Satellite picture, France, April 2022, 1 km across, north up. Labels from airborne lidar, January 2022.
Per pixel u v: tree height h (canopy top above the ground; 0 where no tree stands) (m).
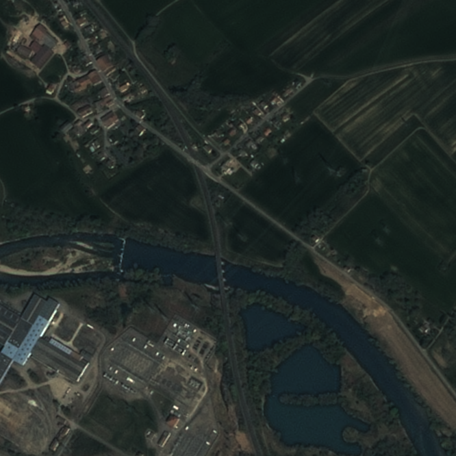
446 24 0
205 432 0
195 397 0
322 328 19
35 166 0
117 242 0
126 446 0
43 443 0
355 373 0
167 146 0
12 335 0
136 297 9
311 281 0
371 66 0
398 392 0
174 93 14
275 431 9
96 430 0
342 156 0
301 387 0
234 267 0
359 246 0
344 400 8
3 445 0
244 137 0
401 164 0
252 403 15
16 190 0
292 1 0
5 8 0
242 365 14
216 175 0
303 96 0
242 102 16
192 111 0
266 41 0
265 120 0
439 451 0
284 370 0
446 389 0
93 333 0
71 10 0
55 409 0
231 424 0
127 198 0
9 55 0
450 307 0
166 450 0
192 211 0
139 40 13
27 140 0
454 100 0
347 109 0
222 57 0
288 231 0
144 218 0
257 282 0
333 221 21
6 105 0
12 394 0
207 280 0
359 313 23
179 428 0
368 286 14
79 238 0
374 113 0
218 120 0
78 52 8
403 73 0
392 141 0
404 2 0
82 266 0
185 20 0
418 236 0
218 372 0
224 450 0
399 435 0
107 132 0
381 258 0
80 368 0
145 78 0
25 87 0
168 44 0
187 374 0
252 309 0
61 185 0
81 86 0
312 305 0
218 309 18
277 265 0
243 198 0
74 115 0
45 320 0
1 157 0
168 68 0
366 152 0
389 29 0
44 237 0
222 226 0
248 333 0
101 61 0
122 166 10
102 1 0
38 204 0
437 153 0
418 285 0
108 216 0
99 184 0
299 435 0
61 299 0
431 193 0
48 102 0
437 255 0
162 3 0
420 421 0
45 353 0
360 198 0
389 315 22
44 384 0
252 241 0
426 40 0
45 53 0
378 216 0
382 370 0
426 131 0
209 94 16
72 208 0
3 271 0
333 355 14
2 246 0
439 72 0
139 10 0
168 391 0
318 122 0
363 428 0
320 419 0
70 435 0
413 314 21
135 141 20
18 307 0
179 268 0
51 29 0
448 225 0
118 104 0
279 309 7
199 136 0
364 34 0
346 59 0
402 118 0
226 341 10
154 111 0
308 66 0
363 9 0
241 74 0
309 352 0
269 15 0
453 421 0
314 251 0
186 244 20
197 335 0
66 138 0
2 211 0
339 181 0
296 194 0
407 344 0
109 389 0
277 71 0
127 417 0
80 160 0
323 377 0
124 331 0
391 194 0
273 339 0
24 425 0
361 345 0
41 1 0
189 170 0
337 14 0
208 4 0
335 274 0
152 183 0
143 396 0
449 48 0
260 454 0
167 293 0
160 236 23
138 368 0
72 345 0
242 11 0
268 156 0
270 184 0
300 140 0
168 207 0
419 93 0
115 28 7
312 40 0
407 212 0
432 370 0
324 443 0
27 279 0
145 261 0
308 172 0
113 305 22
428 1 0
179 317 0
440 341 0
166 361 0
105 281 16
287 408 0
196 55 0
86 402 0
